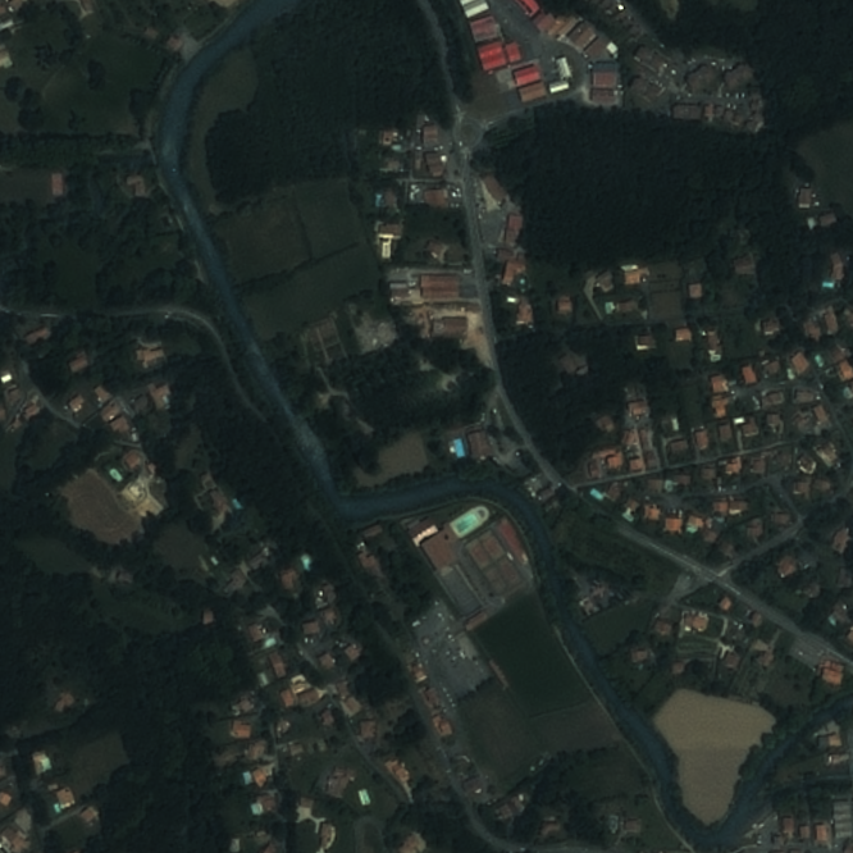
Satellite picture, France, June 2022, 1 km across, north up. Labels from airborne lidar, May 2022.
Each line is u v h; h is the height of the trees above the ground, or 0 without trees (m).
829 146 0
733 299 0
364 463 26
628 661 7
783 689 0
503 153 15
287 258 0
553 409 17
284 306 0
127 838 17
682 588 0
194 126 8
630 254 13
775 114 20
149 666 22
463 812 18
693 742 0
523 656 0
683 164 23
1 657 27
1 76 0
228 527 19
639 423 0
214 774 15
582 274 17
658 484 0
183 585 13
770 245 15
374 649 13
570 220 22
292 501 31
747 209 8
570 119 21
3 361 15
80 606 21
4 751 17
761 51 20
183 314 0
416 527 0
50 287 15
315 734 0
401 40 13
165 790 26
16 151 27
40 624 13
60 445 0
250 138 8
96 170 8
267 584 18
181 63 8
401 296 0
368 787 0
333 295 0
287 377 14
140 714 22
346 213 0
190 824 25
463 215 0
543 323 16
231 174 19
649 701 0
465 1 0
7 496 6
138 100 20
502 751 0
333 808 13
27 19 21
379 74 9
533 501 6
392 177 10
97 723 18
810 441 11
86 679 12
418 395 24
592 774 0
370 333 0
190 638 22
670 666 14
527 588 0
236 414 30
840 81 25
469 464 23
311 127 8
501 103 0
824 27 24
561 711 0
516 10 0
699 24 16
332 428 8
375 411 23
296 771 0
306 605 17
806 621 14
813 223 0
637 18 0
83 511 0
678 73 0
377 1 14
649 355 0
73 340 25
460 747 0
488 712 0
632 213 23
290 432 10
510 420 0
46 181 0
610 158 21
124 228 11
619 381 23
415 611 13
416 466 0
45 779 9
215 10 12
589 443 15
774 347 13
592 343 21
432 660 0
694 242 12
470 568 0
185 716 21
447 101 10
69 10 11
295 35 10
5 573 22
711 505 8
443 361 11
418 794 19
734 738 0
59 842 19
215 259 0
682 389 8
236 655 18
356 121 7
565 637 6
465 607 0
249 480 26
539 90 0
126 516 0
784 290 15
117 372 12
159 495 0
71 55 13
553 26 0
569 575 7
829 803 8
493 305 7
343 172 7
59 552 0
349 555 9
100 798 17
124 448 8
